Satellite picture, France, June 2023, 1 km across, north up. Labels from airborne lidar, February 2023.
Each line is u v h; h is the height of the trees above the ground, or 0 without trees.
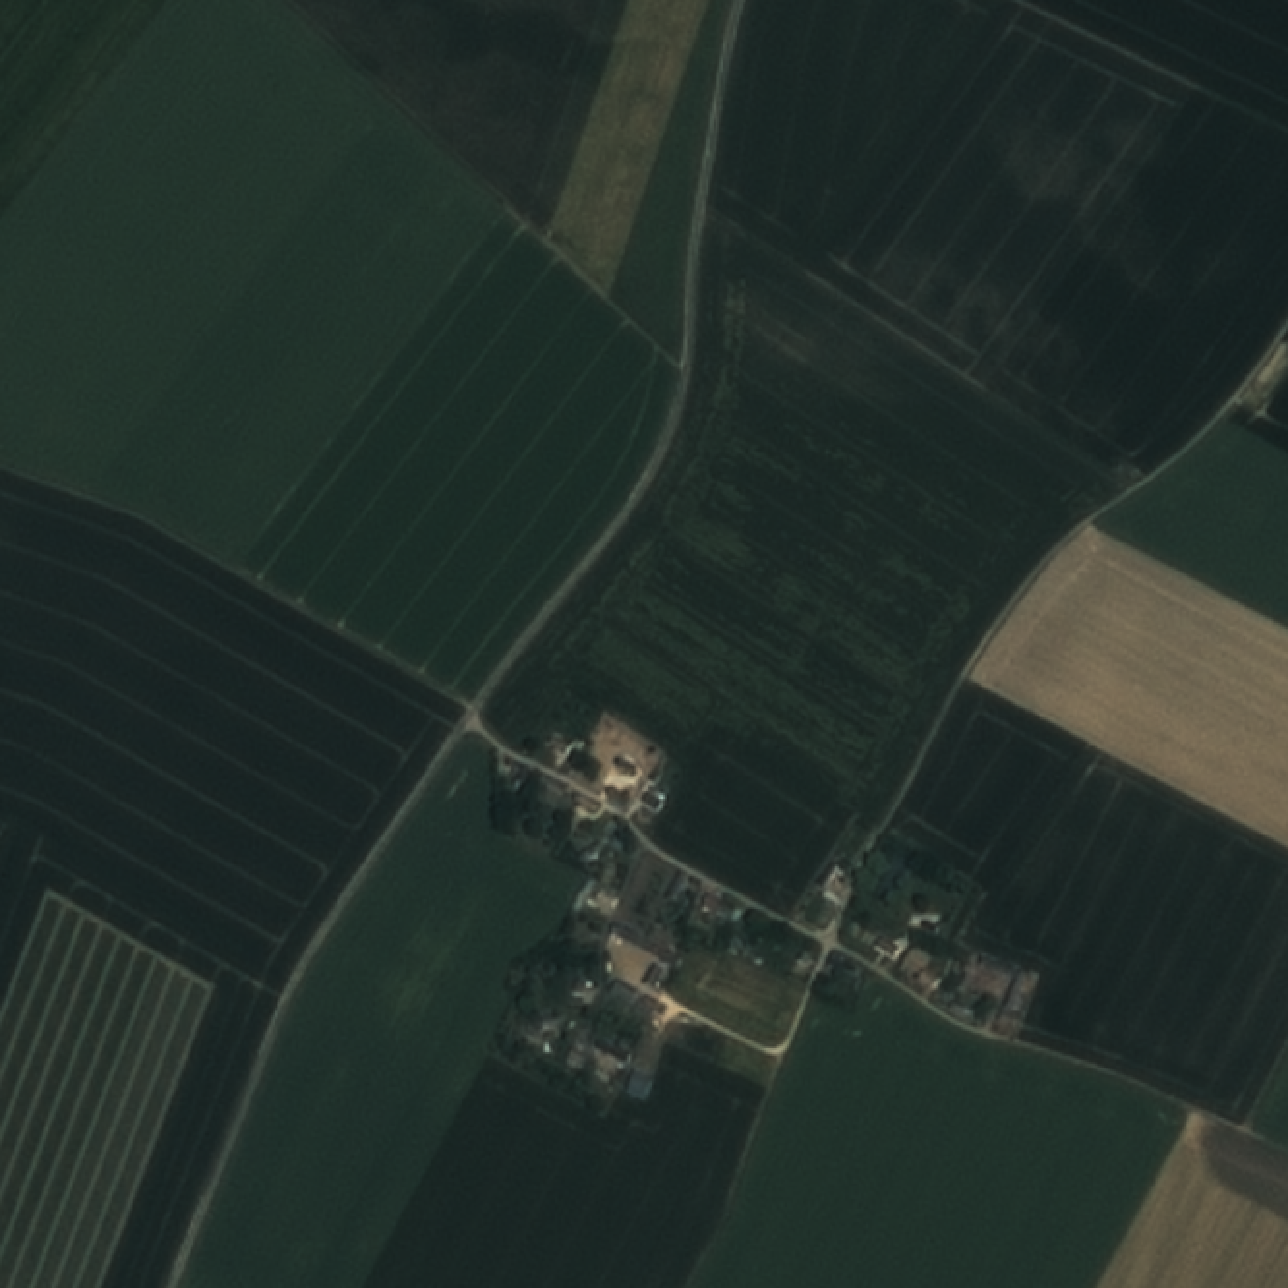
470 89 0
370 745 0
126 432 0
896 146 0
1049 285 0
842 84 0
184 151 0
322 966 0
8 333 0
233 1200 0
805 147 0
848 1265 0
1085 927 0
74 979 0
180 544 0
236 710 0
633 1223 0
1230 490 0
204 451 0
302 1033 0
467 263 0
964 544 0
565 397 0
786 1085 0
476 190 0
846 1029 0
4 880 0
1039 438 0
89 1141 0
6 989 0
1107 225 0
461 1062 0
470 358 0
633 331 0
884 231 0
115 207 0
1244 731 0
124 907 0
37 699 0
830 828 0
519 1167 0
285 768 0
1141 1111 0
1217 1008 0
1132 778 0
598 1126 0
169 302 0
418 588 0
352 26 0
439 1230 0
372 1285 0
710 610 0
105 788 0
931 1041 0
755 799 0
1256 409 0
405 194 0
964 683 0
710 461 0
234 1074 0
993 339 0
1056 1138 0
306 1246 0
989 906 0
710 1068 0
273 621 0
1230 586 0
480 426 0
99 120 0
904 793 0
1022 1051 0
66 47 0
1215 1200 0
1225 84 0
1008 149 0
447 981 0
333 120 0
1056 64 0
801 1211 0
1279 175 0
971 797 0
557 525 0
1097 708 0
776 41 0
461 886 0
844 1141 0
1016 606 0
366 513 0
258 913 0
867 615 0
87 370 0
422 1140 0
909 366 0
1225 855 0
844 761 0
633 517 0
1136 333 0
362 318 0
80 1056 0
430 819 0
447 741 0
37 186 0
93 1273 0
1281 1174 0
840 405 0
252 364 0
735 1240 0
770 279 0
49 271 0
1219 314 0
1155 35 0
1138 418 0
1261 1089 0
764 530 0
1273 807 0
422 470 0
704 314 0
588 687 0
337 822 0
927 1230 0
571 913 8
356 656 0
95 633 0
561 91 0
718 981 0
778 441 0
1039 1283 0
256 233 0
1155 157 0
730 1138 0
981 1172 0
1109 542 0
